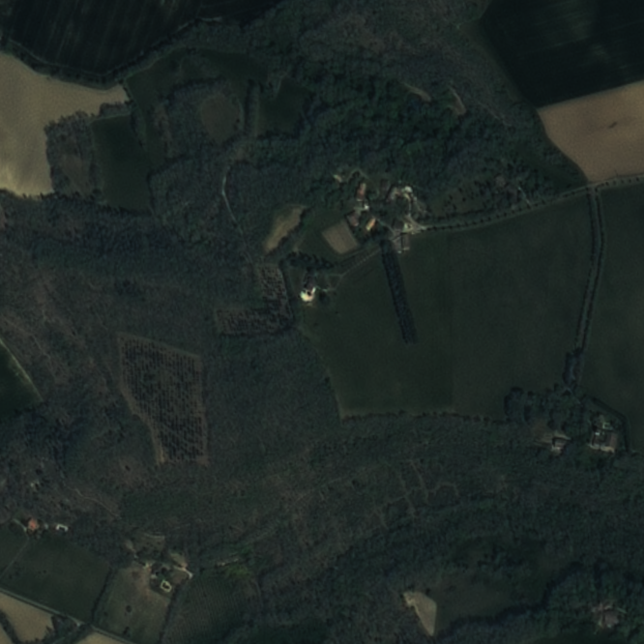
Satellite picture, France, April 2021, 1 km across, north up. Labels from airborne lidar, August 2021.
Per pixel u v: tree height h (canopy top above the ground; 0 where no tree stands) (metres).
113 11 0
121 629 0
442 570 24
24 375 0
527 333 0
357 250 0
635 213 0
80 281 7
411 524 9
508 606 0
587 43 0
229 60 0
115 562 15
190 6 0
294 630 11
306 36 20
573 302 0
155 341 9
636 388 0
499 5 0
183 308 13
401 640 9
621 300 0
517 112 14
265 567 6
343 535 17
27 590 0
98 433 14
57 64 0
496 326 0
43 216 13
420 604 0
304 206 10
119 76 15
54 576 0
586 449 17
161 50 13
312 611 19
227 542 12
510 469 12
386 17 9
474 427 18
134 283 8
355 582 20
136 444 13
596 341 0
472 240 0
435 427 15
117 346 9
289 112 0
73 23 0
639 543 23
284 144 18
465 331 0
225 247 11
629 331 0
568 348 0
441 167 17
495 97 14
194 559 16
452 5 17
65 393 7
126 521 11
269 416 20
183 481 9
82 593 0
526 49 0
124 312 10
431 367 0
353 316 0
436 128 6
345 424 11
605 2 0
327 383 7
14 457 8
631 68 0
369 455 18
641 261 0
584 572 13
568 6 0
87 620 0
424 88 20
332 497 8
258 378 16
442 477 12
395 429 15
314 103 14
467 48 13
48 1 0
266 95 15
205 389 13
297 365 19
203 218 13
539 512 13
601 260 7
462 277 0
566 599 11
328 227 0
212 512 12
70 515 7
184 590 14
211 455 13
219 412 17
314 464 12
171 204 17
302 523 12
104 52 0
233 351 14
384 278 0
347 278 0
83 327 9
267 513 16
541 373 0
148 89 0
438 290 0
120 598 0
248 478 11
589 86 0
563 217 0
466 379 0
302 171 18
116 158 0
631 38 0
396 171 16
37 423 22
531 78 0
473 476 16
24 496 13
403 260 0
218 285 18
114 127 0
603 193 0
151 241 14
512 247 0
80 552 0
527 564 7
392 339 0
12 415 0
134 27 0
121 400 15
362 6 9
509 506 18
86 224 8
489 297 0
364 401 0
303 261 14
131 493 8
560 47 0
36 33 0
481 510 18
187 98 21
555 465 21
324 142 19
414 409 0
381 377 0
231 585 7
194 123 19
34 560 0
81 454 11
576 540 28
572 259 0
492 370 0
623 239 0
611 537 22
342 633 13
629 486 21
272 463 12
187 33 13
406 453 16
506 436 21
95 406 9
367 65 22
